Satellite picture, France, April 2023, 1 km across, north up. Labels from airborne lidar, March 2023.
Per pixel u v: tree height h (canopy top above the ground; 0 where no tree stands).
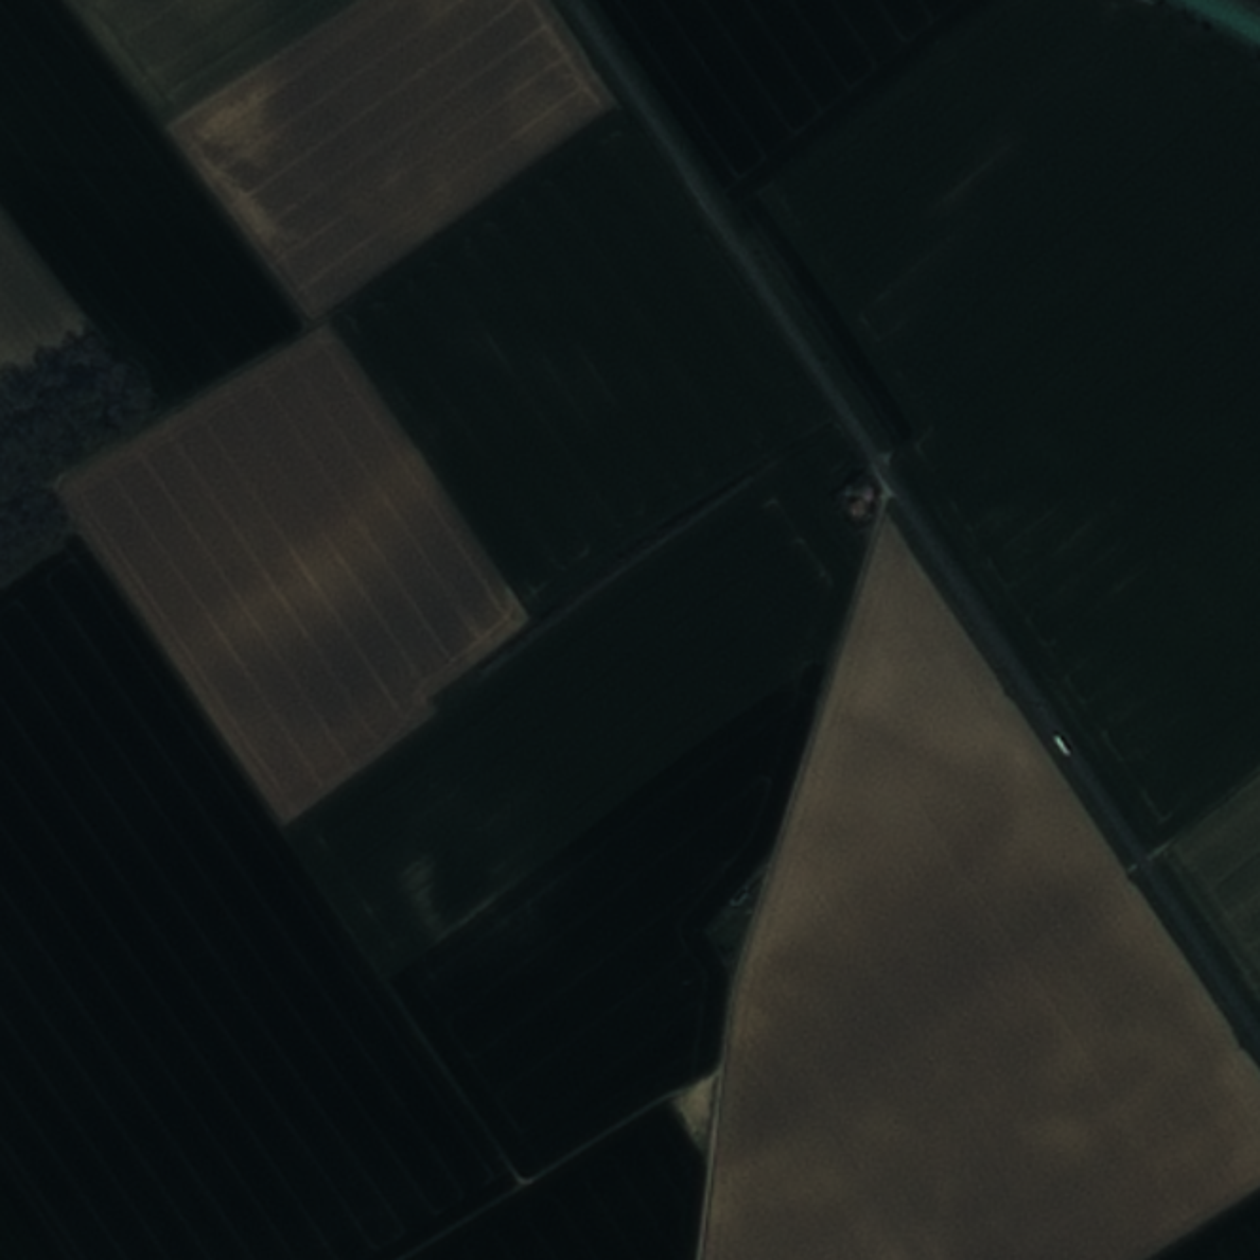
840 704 0
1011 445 0
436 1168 0
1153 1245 0
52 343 0
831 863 0
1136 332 0
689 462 0
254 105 0
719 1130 0
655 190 0
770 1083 0
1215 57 0
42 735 0
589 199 0
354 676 0
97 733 0
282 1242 0
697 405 0
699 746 0
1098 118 0
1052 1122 0
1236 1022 0
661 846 0
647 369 0
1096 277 0
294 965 0
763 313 0
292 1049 0
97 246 0
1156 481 0
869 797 0
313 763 0
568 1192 0
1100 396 0
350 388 0
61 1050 0
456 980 0
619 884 0
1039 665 0
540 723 0
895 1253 0
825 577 0
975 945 0
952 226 0
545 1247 0
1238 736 0
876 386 0
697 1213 0
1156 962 0
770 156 0
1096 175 0
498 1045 0
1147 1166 0
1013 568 0
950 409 0
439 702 0
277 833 0
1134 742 0
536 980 0
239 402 0
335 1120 0
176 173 0
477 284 0
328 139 0
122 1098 0
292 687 0
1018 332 0
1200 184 0
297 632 0
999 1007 0
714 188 0
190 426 0
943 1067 0
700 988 0
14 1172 0
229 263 0
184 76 0
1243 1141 0
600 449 0
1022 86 0
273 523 0
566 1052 0
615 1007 0
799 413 0
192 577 0
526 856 0
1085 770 0
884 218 0
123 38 0
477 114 0
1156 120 0
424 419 0
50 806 0
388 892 0
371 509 0
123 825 0
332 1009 0
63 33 0
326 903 0
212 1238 0
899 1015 0
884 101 0
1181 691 0
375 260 0
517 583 0
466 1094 0
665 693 0
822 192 0
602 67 0
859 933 0
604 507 0
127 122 0
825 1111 0
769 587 0
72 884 0
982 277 0
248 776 0
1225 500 0
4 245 0
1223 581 0
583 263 0
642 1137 0
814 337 0
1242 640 0
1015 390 0
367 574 0
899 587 0
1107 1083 0
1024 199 0
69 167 0
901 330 0
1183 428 0
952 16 0
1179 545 0
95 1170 0
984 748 0
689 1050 0
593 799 0
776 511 0
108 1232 0
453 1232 0
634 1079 0
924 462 0
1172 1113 0
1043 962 0
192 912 0
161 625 0
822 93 0
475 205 0
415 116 0
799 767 0
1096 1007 0
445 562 0
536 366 0
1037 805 0
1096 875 0
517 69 0
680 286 0
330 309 0
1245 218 0
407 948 0
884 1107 0
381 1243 0
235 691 0
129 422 14
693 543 0
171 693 0
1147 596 0
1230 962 0
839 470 0
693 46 0
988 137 0
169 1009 0
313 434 0
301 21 0
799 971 0
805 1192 0
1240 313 0
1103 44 0
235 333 0
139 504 0
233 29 0
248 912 0
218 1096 0
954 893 0
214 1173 0
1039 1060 0
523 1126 0
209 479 0
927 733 0
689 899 0
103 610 0
